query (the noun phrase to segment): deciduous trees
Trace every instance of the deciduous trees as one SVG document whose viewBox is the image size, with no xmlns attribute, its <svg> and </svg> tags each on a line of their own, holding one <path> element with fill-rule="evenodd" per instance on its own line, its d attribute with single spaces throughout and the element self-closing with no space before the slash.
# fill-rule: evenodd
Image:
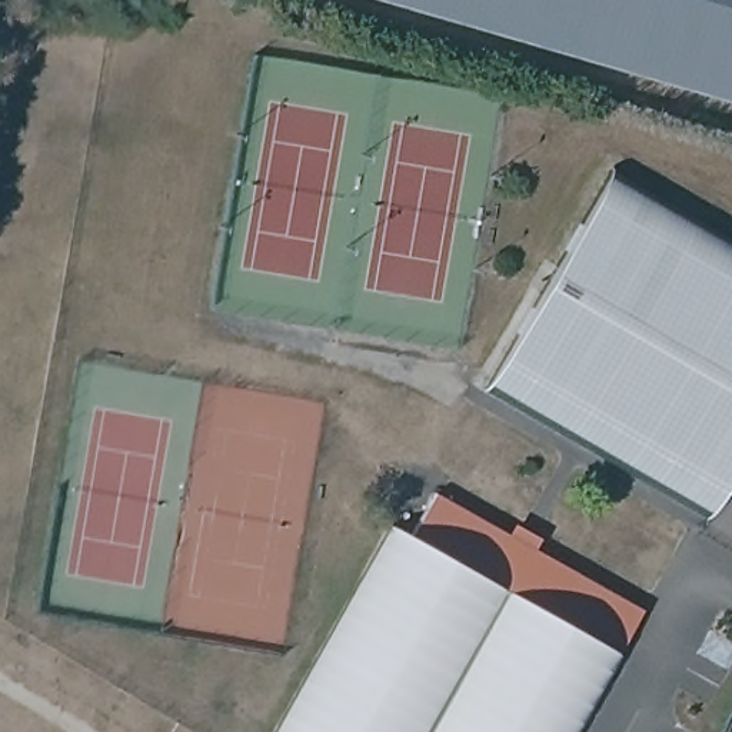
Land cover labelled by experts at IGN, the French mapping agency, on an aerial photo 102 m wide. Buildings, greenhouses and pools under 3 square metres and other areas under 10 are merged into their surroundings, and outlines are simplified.
<svg viewBox="0 0 732 732">
<path fill-rule="evenodd" d="M 563 498 L 575 512 L 589 518 L 609 518 L 609 506 L 615 500 L 609 500 L 609 495 L 598 483 L 589 483 L 580 472 L 572 472 Z"/>
<path fill-rule="evenodd" d="M 372 17 L 360 17 L 360 23 L 355 23 L 352 11 L 337 11 L 337 6 L 332 3 L 315 9 L 315 0 L 234 0 L 234 14 L 246 14 L 252 6 L 266 6 L 272 11 L 272 37 L 277 46 L 412 71 L 417 77 L 415 80 L 478 92 L 489 100 L 498 100 L 500 112 L 509 112 L 515 106 L 555 106 L 578 123 L 603 120 L 609 129 L 632 129 L 683 146 L 709 146 L 712 152 L 721 152 L 732 160 L 732 132 L 692 126 L 666 112 L 638 109 L 632 103 L 623 103 L 615 112 L 609 112 L 606 106 L 598 106 L 603 86 L 589 86 L 586 77 L 563 80 L 532 66 L 515 66 L 498 51 L 489 60 L 458 60 L 458 54 L 440 37 L 426 40 L 415 31 L 400 37 L 395 31 L 372 31 Z"/>
<path fill-rule="evenodd" d="M 506 246 L 498 252 L 495 269 L 500 275 L 518 275 L 523 269 L 523 249 Z"/>
<path fill-rule="evenodd" d="M 51 9 L 34 6 L 29 26 L 43 29 L 46 37 L 89 34 L 109 40 L 134 40 L 146 29 L 183 29 L 189 20 L 189 6 L 174 0 L 51 0 Z"/>
<path fill-rule="evenodd" d="M 500 174 L 500 180 L 495 180 L 492 186 L 506 197 L 529 197 L 526 183 L 518 174 Z"/>
</svg>

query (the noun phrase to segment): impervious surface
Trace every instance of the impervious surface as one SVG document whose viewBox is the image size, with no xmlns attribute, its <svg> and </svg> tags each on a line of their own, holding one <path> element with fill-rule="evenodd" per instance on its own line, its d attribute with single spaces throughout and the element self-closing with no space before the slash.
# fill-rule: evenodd
<svg viewBox="0 0 732 732">
<path fill-rule="evenodd" d="M 518 312 L 523 315 L 526 309 L 532 309 L 532 297 L 540 280 L 552 272 L 552 263 L 540 263 L 532 272 L 529 289 Z"/>
<path fill-rule="evenodd" d="M 578 432 L 560 426 L 543 412 L 498 389 L 495 380 L 520 340 L 518 326 L 512 323 L 500 335 L 483 369 L 478 369 L 475 363 L 463 363 L 460 357 L 460 335 L 475 280 L 475 249 L 483 220 L 483 197 L 492 186 L 495 180 L 495 169 L 489 166 L 489 146 L 495 114 L 500 112 L 498 100 L 489 100 L 478 92 L 415 80 L 395 80 L 280 57 L 263 60 L 260 54 L 254 54 L 246 123 L 240 132 L 237 177 L 229 180 L 229 186 L 243 194 L 243 217 L 237 226 L 226 226 L 226 240 L 234 243 L 234 260 L 229 266 L 226 300 L 212 303 L 212 317 L 217 320 L 223 315 L 232 315 L 240 320 L 240 335 L 257 335 L 266 337 L 266 343 L 283 343 L 286 349 L 320 355 L 335 363 L 372 369 L 389 380 L 412 383 L 443 403 L 455 403 L 463 395 L 480 409 L 500 415 L 515 429 L 538 437 L 540 446 L 535 455 L 543 458 L 543 469 L 538 469 L 538 475 L 515 475 L 515 495 L 529 509 L 526 518 L 526 529 L 540 538 L 555 529 L 549 518 L 555 503 L 563 498 L 572 472 L 580 472 L 589 483 L 598 483 L 609 495 L 609 500 L 615 500 L 632 495 L 661 506 L 666 515 L 686 523 L 683 543 L 672 566 L 666 569 L 661 586 L 652 592 L 655 609 L 643 609 L 638 629 L 626 638 L 635 646 L 635 652 L 618 655 L 606 683 L 600 686 L 578 732 L 681 732 L 681 723 L 672 718 L 672 695 L 683 689 L 686 695 L 692 695 L 692 712 L 703 712 L 703 703 L 715 695 L 718 683 L 723 681 L 726 666 L 732 666 L 732 498 L 721 512 L 709 512 L 692 498 L 669 489 L 646 472 L 626 466 L 598 443 L 580 437 Z"/>
<path fill-rule="evenodd" d="M 586 77 L 589 86 L 603 86 L 598 106 L 606 106 L 609 112 L 615 112 L 623 103 L 632 103 L 638 109 L 666 112 L 692 126 L 732 132 L 732 106 L 721 106 L 706 97 L 672 89 L 661 92 L 655 83 L 635 80 L 623 71 L 612 71 L 595 63 L 583 63 L 566 54 L 495 37 L 478 29 L 426 17 L 377 0 L 315 0 L 315 9 L 332 3 L 337 6 L 337 11 L 352 11 L 355 23 L 360 23 L 360 17 L 372 17 L 372 31 L 395 31 L 400 37 L 415 31 L 426 40 L 440 37 L 458 54 L 458 60 L 489 60 L 498 51 L 515 66 L 532 66 L 563 80 Z"/>
<path fill-rule="evenodd" d="M 320 406 L 312 400 L 246 392 L 249 377 L 223 369 L 189 369 L 177 360 L 129 355 L 120 349 L 89 349 L 83 355 L 89 363 L 83 366 L 83 377 L 77 383 L 74 420 L 69 432 L 69 452 L 63 469 L 69 480 L 60 483 L 54 506 L 40 612 L 80 623 L 240 646 L 269 655 L 292 652 L 283 635 L 300 532 L 306 518 L 312 466 L 320 437 Z"/>
</svg>

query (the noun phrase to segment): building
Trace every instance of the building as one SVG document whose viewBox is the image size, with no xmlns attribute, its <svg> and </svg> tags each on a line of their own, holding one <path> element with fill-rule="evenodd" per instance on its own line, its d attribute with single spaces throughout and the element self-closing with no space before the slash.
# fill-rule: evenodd
<svg viewBox="0 0 732 732">
<path fill-rule="evenodd" d="M 709 512 L 721 512 L 732 498 L 732 249 L 715 240 L 712 234 L 701 232 L 698 226 L 681 220 L 678 214 L 666 212 L 663 206 L 646 200 L 643 194 L 626 189 L 623 183 L 618 183 L 618 172 L 612 169 L 595 189 L 595 194 L 575 212 L 575 220 L 580 226 L 558 249 L 558 257 L 552 263 L 552 272 L 540 280 L 532 297 L 532 309 L 526 309 L 523 315 L 518 312 L 512 323 L 518 326 L 520 340 L 495 380 L 498 389 L 543 412 L 560 426 L 578 432 L 580 437 L 598 443 L 626 466 L 646 472 L 669 489 L 692 498 Z"/>
<path fill-rule="evenodd" d="M 355 598 L 349 600 L 343 618 L 337 620 L 326 649 L 320 652 L 315 669 L 309 672 L 300 695 L 295 698 L 277 732 L 578 732 L 600 686 L 606 683 L 618 655 L 635 652 L 635 646 L 626 638 L 638 629 L 643 609 L 620 598 L 618 592 L 595 583 L 592 578 L 569 569 L 566 563 L 549 558 L 540 546 L 540 538 L 526 529 L 526 518 L 515 518 L 515 529 L 506 532 L 443 495 L 415 498 L 403 506 L 403 512 L 395 512 L 392 520 L 397 529 L 386 535 L 380 552 L 366 569 Z"/>
<path fill-rule="evenodd" d="M 566 54 L 583 63 L 595 63 L 612 71 L 623 71 L 635 80 L 655 83 L 661 92 L 672 89 L 706 97 L 721 106 L 732 106 L 732 0 L 377 0 L 426 17 L 478 29 L 495 37 Z"/>
</svg>

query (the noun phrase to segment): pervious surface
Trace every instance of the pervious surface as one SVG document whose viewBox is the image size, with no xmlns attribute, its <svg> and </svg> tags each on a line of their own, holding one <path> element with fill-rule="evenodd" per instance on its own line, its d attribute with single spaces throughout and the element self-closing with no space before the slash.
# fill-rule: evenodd
<svg viewBox="0 0 732 732">
<path fill-rule="evenodd" d="M 71 712 L 63 712 L 60 706 L 29 692 L 23 683 L 14 683 L 9 675 L 0 672 L 0 692 L 34 709 L 63 732 L 97 732 L 92 723 L 74 718 Z"/>
</svg>

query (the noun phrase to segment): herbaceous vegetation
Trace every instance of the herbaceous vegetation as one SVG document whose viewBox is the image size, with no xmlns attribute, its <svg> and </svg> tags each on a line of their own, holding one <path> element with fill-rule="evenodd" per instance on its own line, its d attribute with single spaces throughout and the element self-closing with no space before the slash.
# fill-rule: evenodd
<svg viewBox="0 0 732 732">
<path fill-rule="evenodd" d="M 512 323 L 518 312 L 529 289 L 532 272 L 540 263 L 552 263 L 558 257 L 558 249 L 580 226 L 575 220 L 575 212 L 595 194 L 595 189 L 612 169 L 618 172 L 618 183 L 623 183 L 626 189 L 643 194 L 646 200 L 663 206 L 666 212 L 678 214 L 681 220 L 698 226 L 701 232 L 712 234 L 715 240 L 732 249 L 732 160 L 721 152 L 712 152 L 709 146 L 683 146 L 632 129 L 609 129 L 603 120 L 578 123 L 555 106 L 515 106 L 509 112 L 500 112 L 495 114 L 489 146 L 489 166 L 495 169 L 495 180 L 500 180 L 500 174 L 518 174 L 526 183 L 529 197 L 506 197 L 492 186 L 483 197 L 483 220 L 475 249 L 475 280 L 460 335 L 460 357 L 463 363 L 475 363 L 478 369 L 483 369 L 500 335 Z M 500 275 L 495 269 L 498 252 L 506 246 L 523 249 L 523 269 L 518 275 Z"/>
<path fill-rule="evenodd" d="M 672 695 L 672 718 L 681 723 L 681 732 L 732 732 L 732 666 L 726 666 L 723 681 L 718 683 L 715 695 L 703 703 L 703 712 L 692 712 L 692 695 L 686 695 L 683 689 Z"/>
<path fill-rule="evenodd" d="M 0 732 L 63 732 L 34 709 L 0 692 Z"/>
<path fill-rule="evenodd" d="M 618 592 L 620 598 L 643 609 L 655 609 L 652 592 L 661 586 L 666 569 L 672 566 L 683 543 L 686 523 L 666 515 L 661 506 L 632 495 L 615 500 L 609 506 L 609 518 L 589 518 L 575 512 L 563 498 L 555 503 L 549 518 L 555 529 L 540 538 L 540 546 L 549 558 L 566 563 L 569 569 L 592 578 L 595 583 Z"/>
<path fill-rule="evenodd" d="M 254 54 L 260 54 L 263 60 L 280 57 L 395 80 L 415 80 L 417 77 L 412 71 L 277 46 L 272 37 L 272 11 L 266 6 L 252 6 L 246 14 L 234 14 L 234 0 L 174 0 L 189 6 L 189 20 L 183 29 L 146 29 L 134 40 L 109 40 L 89 34 L 46 37 L 43 29 L 29 26 L 34 6 L 51 9 L 51 0 L 0 0 L 0 672 L 9 675 L 14 683 L 23 683 L 29 692 L 60 706 L 63 712 L 71 712 L 74 718 L 92 723 L 97 732 L 277 732 L 295 698 L 300 695 L 309 672 L 315 669 L 320 652 L 326 649 L 337 620 L 343 618 L 349 600 L 355 598 L 366 569 L 380 552 L 386 535 L 397 529 L 392 520 L 395 512 L 403 512 L 403 506 L 415 498 L 443 495 L 506 532 L 515 529 L 515 518 L 526 518 L 529 509 L 515 495 L 515 475 L 538 475 L 538 469 L 543 469 L 543 458 L 535 455 L 540 446 L 538 437 L 515 429 L 500 415 L 480 409 L 463 395 L 455 403 L 443 403 L 412 383 L 389 380 L 372 369 L 335 363 L 320 355 L 286 349 L 283 343 L 266 343 L 266 337 L 257 335 L 240 335 L 240 320 L 232 315 L 223 315 L 217 320 L 212 317 L 212 303 L 226 300 L 229 266 L 234 260 L 234 243 L 226 240 L 226 226 L 237 226 L 243 217 L 243 194 L 229 186 L 229 180 L 237 177 L 240 132 L 246 123 Z M 177 360 L 189 369 L 223 369 L 249 377 L 246 392 L 312 400 L 320 406 L 320 437 L 312 466 L 306 518 L 300 532 L 283 635 L 292 652 L 269 655 L 240 646 L 80 623 L 40 612 L 54 506 L 60 483 L 69 480 L 63 469 L 69 452 L 69 432 L 74 420 L 77 383 L 83 377 L 83 366 L 89 363 L 83 355 L 89 349 L 120 349 L 129 355 Z"/>
</svg>

